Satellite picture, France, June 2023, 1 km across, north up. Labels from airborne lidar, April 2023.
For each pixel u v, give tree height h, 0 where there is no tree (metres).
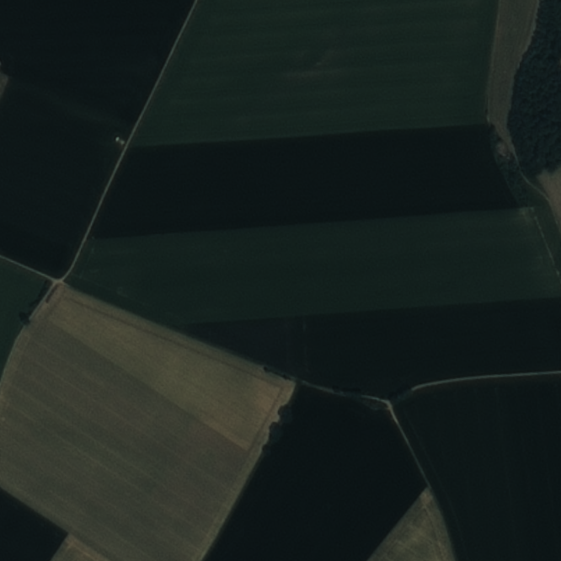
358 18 0
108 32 0
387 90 0
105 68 0
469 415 0
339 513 0
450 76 0
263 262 0
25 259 0
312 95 0
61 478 0
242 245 0
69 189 0
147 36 0
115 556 0
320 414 0
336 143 0
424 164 0
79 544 0
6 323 0
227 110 0
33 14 0
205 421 0
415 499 0
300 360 0
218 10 0
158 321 0
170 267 0
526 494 0
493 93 0
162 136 0
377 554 0
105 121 0
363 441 0
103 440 0
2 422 0
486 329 0
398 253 0
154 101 0
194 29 0
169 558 0
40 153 0
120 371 0
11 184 0
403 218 0
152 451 0
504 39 0
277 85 0
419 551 0
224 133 0
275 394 0
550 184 0
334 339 0
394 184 0
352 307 0
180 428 0
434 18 0
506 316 0
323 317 0
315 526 0
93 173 0
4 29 0
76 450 0
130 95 0
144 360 0
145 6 0
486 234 0
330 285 0
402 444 0
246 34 0
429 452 0
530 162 19
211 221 0
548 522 0
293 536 0
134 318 0
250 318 0
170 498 0
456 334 0
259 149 0
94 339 0
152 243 0
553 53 13
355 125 0
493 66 0
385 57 0
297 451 0
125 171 0
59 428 0
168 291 0
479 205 0
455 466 0
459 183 0
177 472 0
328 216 0
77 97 0
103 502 0
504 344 0
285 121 0
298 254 0
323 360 0
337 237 0
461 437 0
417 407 0
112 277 0
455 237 0
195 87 0
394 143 0
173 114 0
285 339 0
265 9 0
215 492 0
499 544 0
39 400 0
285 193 0
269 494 0
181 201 0
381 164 0
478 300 0
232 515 0
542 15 16
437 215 0
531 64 16
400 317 0
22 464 0
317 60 0
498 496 0
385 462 0
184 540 0
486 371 0
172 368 0
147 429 0
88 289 0
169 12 0
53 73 0
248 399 0
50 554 0
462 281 0
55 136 0
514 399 0
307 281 0
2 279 0
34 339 0
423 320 0
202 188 0
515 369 0
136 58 0
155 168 0
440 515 0
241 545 0
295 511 0
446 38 0
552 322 0
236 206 0
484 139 0
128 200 0
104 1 0
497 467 0
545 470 0
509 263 0
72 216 0
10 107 0
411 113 0
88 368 0
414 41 0
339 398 0
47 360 0
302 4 0
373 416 0
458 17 0
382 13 0
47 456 0
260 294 0
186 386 0
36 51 0
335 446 0
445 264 0
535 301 0
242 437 0
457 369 0
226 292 0
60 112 0
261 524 0
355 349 0
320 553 0
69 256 0
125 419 0
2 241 0
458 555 0
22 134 0
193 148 0
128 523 0
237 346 0
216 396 0
